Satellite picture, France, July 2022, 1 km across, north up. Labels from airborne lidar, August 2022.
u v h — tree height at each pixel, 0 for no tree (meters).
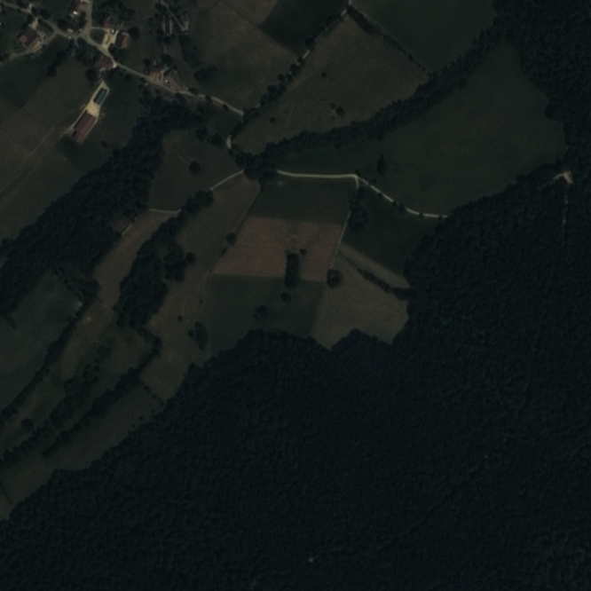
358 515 18
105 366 0
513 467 20
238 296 0
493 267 15
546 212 20
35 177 0
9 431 0
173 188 0
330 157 0
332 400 22
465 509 20
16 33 0
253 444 21
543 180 19
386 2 0
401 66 0
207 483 23
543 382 23
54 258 20
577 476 19
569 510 18
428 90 17
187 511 20
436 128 0
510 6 27
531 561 28
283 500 24
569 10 20
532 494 15
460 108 0
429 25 0
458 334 18
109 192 25
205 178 0
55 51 0
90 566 23
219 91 0
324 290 0
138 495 19
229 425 18
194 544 23
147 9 0
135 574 27
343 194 0
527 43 22
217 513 25
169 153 0
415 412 20
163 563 24
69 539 23
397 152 0
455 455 19
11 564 27
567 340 15
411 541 16
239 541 24
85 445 0
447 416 18
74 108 0
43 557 22
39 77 0
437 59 0
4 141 0
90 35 0
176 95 0
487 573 23
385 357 28
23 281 21
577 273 18
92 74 12
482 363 27
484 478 19
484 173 0
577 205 18
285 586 23
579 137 18
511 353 21
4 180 0
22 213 0
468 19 0
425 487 24
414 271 23
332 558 21
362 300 0
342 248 0
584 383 23
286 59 0
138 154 26
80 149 0
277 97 19
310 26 0
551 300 15
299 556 20
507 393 21
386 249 0
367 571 22
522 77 0
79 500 23
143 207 20
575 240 19
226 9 0
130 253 0
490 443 14
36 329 0
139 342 0
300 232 0
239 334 0
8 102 0
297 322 0
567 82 23
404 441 23
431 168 0
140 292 23
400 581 21
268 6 0
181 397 17
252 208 0
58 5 0
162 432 13
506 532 13
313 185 0
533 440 21
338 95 0
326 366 20
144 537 25
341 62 0
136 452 23
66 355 0
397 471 22
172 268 18
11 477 0
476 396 18
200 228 0
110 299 0
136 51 0
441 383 14
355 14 18
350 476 21
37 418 0
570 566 26
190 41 14
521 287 20
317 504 23
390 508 16
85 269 21
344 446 21
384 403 21
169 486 19
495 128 0
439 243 19
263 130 0
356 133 19
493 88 0
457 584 27
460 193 0
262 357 22
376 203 0
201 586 24
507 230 26
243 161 19
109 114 0
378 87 0
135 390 0
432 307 23
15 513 13
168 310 0
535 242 21
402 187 0
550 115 19
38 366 0
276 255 0
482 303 16
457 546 22
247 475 23
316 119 0
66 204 22
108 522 23
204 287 0
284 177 0
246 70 0
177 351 0
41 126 0
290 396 19
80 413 0
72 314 0
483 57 18
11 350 0
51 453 10
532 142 0
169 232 19
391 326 0
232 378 21
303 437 24
